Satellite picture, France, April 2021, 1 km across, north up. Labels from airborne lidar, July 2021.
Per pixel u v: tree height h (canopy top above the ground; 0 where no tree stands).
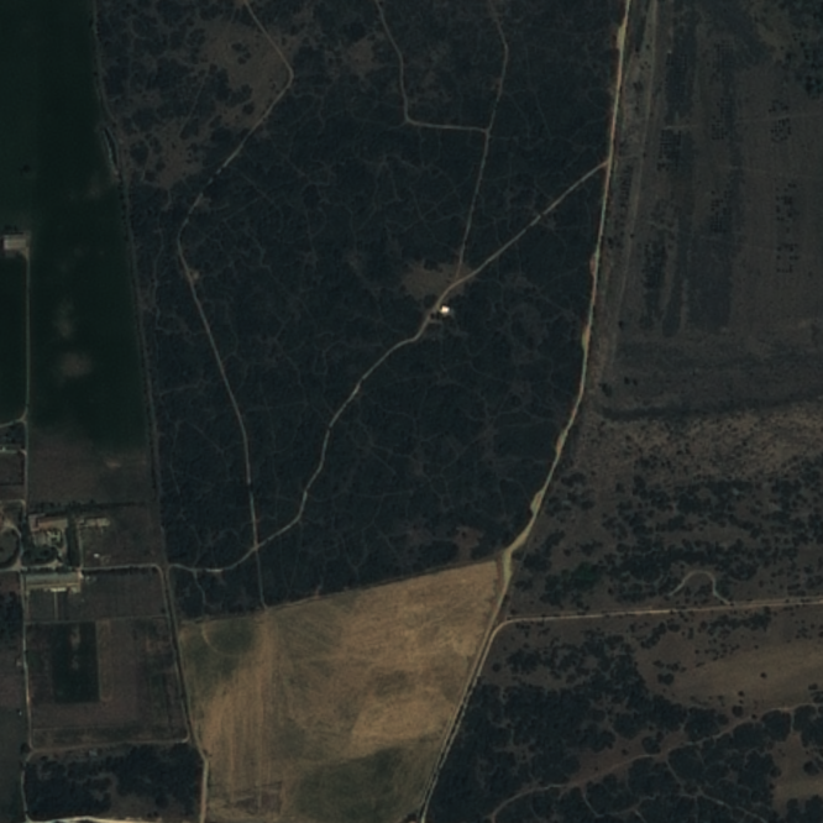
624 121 0
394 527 0
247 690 0
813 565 0
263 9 0
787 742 0
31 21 0
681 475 0
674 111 0
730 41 0
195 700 0
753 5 0
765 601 0
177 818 0
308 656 0
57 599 0
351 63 0
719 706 0
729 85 0
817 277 0
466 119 0
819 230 0
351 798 0
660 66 0
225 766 0
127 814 0
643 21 0
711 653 0
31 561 6
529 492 0
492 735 7
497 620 0
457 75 0
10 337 0
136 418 0
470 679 0
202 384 0
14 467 0
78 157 0
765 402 0
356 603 0
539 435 0
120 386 0
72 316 0
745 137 0
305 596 0
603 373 0
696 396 0
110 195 0
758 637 0
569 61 0
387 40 0
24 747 7
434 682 0
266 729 0
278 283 0
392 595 0
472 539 0
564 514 0
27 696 0
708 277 0
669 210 0
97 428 0
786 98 0
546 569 0
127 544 0
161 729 0
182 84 0
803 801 0
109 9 0
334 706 0
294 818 0
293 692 0
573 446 0
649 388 0
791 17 0
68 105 0
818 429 0
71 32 0
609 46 0
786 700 0
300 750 0
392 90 0
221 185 7
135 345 0
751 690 0
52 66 0
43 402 0
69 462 0
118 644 0
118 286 0
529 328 0
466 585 0
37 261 0
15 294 0
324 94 0
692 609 0
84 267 0
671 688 0
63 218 0
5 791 0
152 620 0
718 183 0
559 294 0
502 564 0
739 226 0
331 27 0
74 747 0
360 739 0
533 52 0
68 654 0
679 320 0
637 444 0
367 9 0
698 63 0
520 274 0
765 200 0
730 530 0
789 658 0
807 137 0
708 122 0
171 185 0
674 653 0
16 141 0
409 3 0
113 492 0
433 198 0
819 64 15
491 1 0
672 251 0
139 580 0
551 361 0
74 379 0
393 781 0
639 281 0
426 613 0
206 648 0
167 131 0
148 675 0
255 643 0
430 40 0
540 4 0
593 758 0
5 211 0
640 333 0
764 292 0
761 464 0
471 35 0
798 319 0
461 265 0
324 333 0
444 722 0
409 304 0
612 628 0
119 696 0
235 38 0
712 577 0
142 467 0
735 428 0
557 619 0
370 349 0
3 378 0
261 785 0
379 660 0
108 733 0
